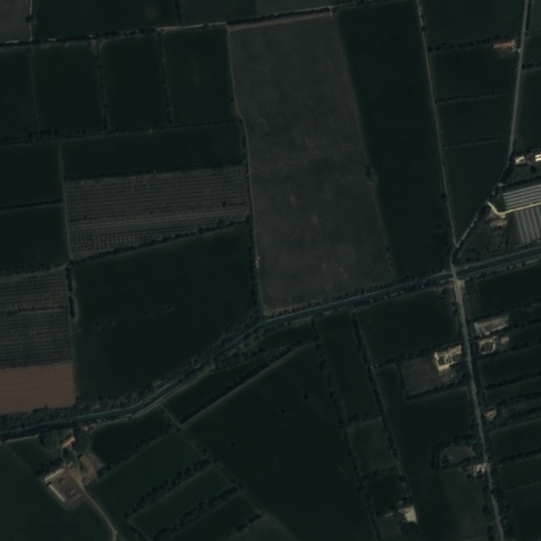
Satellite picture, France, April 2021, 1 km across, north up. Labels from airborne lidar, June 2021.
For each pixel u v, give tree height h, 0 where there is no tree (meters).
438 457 12
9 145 10
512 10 0
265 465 0
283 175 0
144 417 0
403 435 0
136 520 0
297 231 0
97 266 0
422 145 0
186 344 0
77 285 0
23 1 0
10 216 0
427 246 0
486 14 0
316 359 0
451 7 0
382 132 0
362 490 13
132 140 0
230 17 0
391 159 0
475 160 0
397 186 0
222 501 13
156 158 0
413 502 13
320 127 0
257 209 0
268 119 0
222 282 0
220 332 0
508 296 0
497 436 0
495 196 9
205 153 0
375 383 12
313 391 0
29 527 0
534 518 0
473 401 7
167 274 0
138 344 0
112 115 0
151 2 0
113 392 0
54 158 0
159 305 0
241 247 0
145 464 0
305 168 0
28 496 0
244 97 0
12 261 0
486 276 10
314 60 0
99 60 9
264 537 0
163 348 0
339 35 0
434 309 0
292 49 0
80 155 0
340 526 0
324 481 0
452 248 6
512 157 8
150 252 0
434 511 0
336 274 0
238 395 0
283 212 0
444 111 0
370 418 10
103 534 0
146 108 0
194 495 0
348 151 0
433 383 0
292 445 0
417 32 0
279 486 0
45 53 0
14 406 0
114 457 0
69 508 0
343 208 0
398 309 0
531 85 0
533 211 0
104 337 0
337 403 13
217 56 0
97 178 11
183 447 0
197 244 0
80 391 0
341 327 0
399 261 0
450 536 0
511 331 11
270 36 0
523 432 0
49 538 0
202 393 0
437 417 0
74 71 0
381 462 0
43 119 0
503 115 0
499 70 0
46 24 0
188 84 0
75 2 0
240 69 0
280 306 0
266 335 10
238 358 17
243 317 0
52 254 0
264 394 0
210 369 15
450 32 0
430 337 0
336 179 0
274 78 0
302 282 0
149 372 0
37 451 0
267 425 0
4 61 0
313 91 0
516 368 0
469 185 0
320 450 0
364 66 0
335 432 0
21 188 0
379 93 0
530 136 0
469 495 0
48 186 0
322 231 0
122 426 0
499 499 12
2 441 10
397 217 0
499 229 8
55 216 0
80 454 21
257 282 10
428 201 0
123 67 0
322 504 0
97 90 0
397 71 0
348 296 9
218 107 0
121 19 0
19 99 0
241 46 0
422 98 0
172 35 0
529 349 11
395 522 0
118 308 0
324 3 0
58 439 20
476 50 0
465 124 0
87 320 0
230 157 0
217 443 0
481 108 0
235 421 0
